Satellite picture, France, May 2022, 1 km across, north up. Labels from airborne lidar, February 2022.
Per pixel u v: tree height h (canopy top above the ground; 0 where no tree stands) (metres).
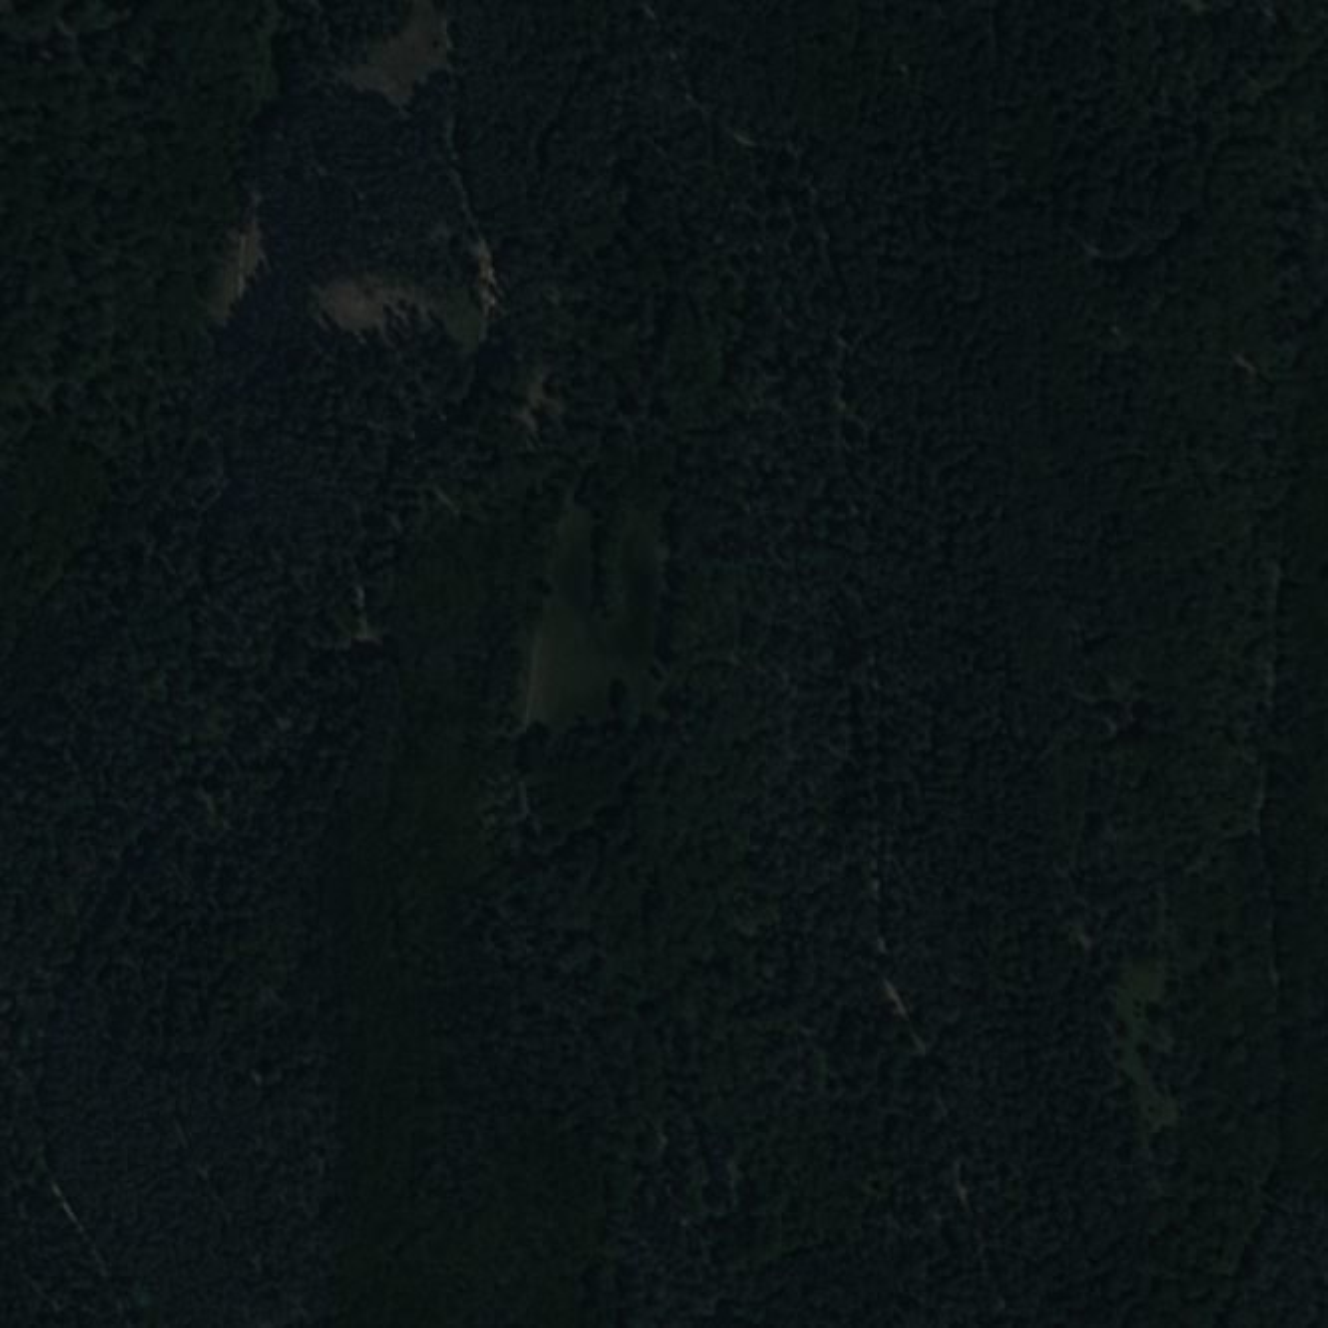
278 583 24
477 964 19
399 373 30
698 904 30
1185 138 19
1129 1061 0
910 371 27
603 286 34
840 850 19
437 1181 21
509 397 34
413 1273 22
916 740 34
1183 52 24
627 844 28
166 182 25
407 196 31
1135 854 19
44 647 19
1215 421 28
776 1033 33
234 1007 17
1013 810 22
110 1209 25
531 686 0
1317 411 21
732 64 25
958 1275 29
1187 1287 27
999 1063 28
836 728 29
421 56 0
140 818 28
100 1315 28
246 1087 21
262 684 27
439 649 21
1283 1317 32
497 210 24
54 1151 27
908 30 26
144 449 28
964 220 28
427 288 30
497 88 23
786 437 31
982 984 24
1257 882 19
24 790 37
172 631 27
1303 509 23
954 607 25
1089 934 16
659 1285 26
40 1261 26
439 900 20
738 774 28
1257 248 35
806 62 22
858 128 32
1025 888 18
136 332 30
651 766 27
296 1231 21
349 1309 20
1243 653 26
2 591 15
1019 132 13
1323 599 17
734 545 44
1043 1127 27
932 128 27
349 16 26
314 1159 13
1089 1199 27
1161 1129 8
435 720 21
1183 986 10
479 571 19
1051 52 29
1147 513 24
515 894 14
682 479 27
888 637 25
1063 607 22
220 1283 23
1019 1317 22
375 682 25
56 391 30
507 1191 21
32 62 32
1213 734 29
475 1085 22
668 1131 11
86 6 36
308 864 13
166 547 31
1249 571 31
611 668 0
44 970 29
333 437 30
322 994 15
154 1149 26
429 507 14
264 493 30
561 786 18
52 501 20
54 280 33
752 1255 27
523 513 28
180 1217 27
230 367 33
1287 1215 29
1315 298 15
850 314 35
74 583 12
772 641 31
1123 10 25
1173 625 20
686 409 31
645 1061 33
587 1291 18
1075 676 21
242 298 0
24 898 31
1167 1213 23
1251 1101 12
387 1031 23
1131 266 26
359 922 22
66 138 35
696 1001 30
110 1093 28
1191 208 25
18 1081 27
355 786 26
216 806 30
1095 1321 23
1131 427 26
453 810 25
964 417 28
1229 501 29
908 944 22
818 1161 26
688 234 33
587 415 32
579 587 0
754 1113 26
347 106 25
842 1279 11
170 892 31
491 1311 19
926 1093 29
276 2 0
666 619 21
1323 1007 9
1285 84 24
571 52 24
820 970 34
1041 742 25
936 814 29
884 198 31
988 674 28
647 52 25
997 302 24
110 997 8
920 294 29
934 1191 28
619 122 21
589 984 34
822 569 36
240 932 30
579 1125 27
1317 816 17
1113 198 26
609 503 22
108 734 32
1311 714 21
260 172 27
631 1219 34
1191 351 28
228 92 34
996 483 21
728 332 29
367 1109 24
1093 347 25
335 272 30
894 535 27
